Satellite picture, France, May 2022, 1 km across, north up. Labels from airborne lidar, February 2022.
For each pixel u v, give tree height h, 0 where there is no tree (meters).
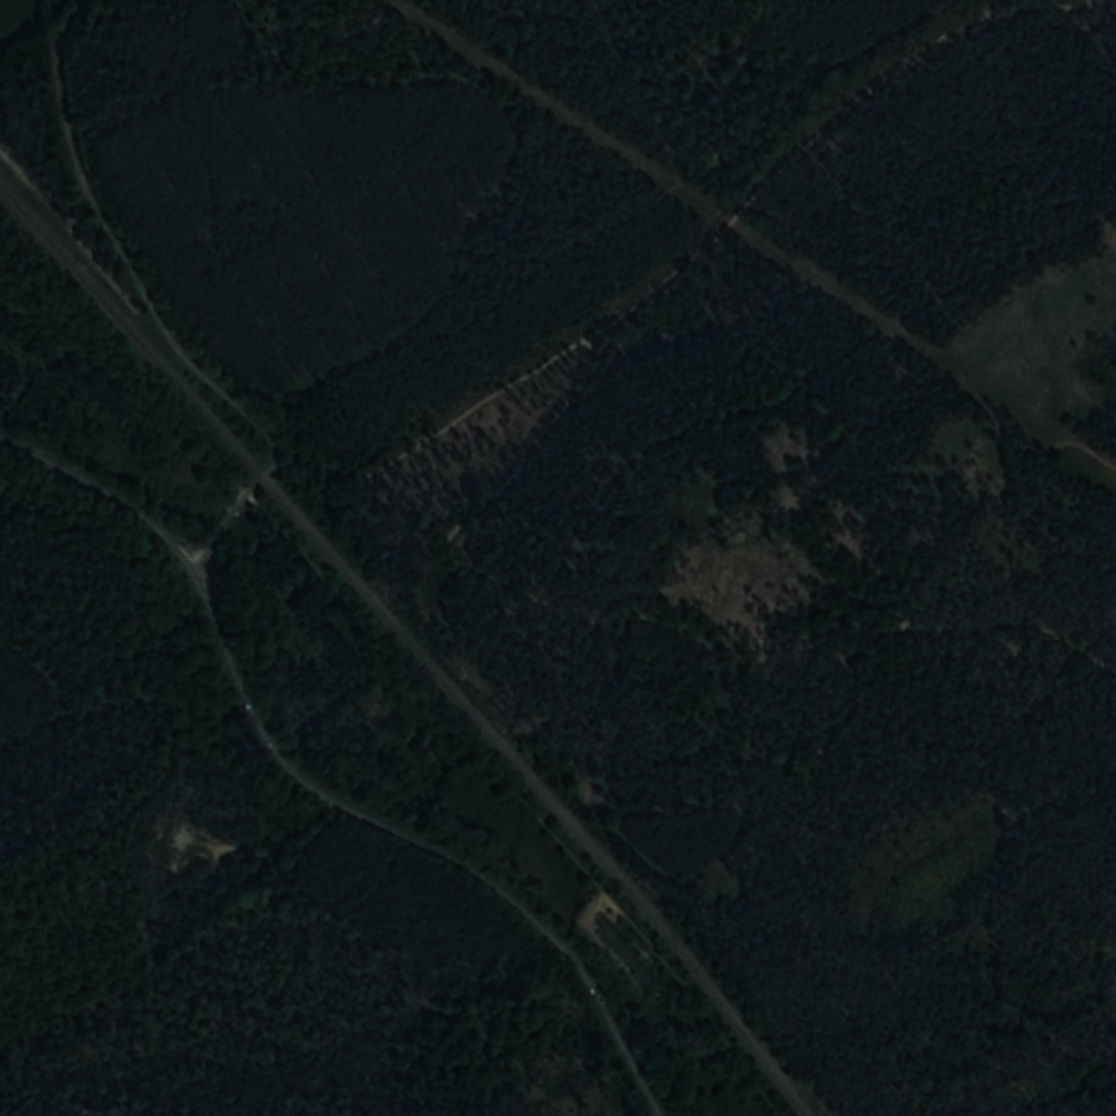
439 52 25
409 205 17
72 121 22
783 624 19
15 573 29
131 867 15
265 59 9
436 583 0
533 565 19
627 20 26
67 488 23
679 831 14
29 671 16
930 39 0
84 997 31
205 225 14
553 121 15
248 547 13
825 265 18
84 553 18
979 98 19
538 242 24
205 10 12
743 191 21
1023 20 18
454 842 25
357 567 10
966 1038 21
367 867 11
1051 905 23
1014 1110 23
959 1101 19
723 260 21
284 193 17
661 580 19
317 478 19
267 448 13
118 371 22
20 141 12
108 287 0
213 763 20
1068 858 27
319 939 6
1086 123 18
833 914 21
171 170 16
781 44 12
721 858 18
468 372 19
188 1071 9
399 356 17
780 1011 24
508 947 12
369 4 27
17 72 24
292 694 24
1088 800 22
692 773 9
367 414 18
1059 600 21
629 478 13
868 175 19
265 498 10
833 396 20
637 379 20
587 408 17
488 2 28
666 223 18
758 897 21
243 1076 11
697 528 0
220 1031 29
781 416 16
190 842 0
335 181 16
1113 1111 28
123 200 16
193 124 16
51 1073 8
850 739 20
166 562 24
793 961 25
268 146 15
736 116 19
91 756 8
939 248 20
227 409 11
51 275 19
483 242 21
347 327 18
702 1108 26
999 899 21
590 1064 34
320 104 17
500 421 0
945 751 22
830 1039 24
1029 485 19
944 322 18
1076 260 17
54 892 30
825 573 20
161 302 17
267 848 10
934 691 14
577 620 17
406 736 17
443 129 14
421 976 9
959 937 19
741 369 19
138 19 12
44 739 13
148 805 16
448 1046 23
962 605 22
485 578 18
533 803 12
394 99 15
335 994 6
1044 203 16
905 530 17
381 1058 9
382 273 17
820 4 15
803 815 24
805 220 20
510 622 18
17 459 29
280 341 18
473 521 15
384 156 16
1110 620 22
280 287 18
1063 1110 26
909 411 20
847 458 16
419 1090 31
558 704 20
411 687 21
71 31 12
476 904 12
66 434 0
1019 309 0
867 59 11
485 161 14
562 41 28
